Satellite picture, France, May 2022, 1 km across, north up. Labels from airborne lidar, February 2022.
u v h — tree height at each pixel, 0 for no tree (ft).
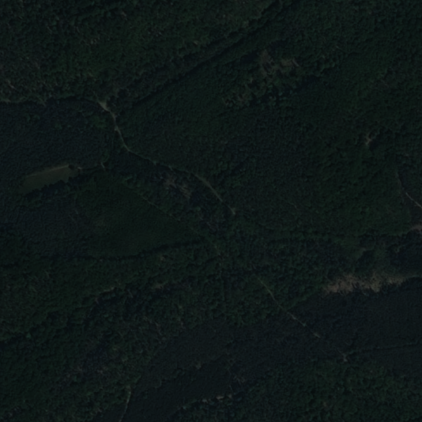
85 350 96
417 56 69
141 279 84
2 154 65
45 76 87
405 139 96
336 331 94
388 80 72
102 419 39
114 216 0
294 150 73
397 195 72
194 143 77
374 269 89
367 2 89
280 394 90
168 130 70
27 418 94
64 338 79
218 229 110
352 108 76
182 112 90
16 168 78
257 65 101
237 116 66
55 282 73
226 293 117
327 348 83
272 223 83
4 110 64
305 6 93
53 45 86
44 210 68
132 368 82
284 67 98
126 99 94
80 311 94
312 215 79
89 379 104
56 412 103
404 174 80
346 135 97
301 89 97
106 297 51
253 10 87
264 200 82
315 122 65
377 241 85
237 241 83
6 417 94
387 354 64
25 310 94
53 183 0
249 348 85
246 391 88
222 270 103
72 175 0
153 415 42
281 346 83
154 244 27
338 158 67
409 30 97
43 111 96
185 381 43
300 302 79
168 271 77
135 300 32
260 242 81
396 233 68
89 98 73
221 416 87
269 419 95
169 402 42
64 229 70
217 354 82
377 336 68
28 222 72
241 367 79
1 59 79
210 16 86
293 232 88
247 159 104
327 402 92
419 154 97
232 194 83
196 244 95
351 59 0
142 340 108
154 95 77
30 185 0
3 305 72
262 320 86
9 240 108
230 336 88
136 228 0
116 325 90
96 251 0
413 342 71
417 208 21
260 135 79
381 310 69
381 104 105
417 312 71
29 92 91
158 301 88
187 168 89
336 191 71
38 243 75
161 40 97
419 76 95
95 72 86
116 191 37
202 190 41
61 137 69
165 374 80
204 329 86
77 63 87
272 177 85
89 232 62
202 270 97
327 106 74
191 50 84
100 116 95
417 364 70
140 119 100
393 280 0
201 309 94
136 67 96
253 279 106
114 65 40
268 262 90
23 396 105
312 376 100
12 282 88
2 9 93
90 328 112
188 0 84
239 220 91
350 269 72
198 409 94
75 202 62
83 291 99
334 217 77
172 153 72
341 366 78
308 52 87
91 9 102
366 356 68
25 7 77
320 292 82
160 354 82
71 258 105
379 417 87
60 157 75
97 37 80
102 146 60
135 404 44
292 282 57
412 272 50
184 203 110
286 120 79
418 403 91
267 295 100
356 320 86
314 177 82
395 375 67
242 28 84
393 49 67
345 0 83
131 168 63
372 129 85
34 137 72
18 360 109
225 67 100
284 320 72
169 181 89
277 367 79
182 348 87
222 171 94
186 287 90
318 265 73
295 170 73
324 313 39
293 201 67
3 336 103
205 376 37
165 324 99
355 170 103
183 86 0
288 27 90
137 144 74
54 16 59
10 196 66
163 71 99
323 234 70
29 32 88
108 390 85
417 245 84
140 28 89
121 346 81
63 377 99
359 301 70
